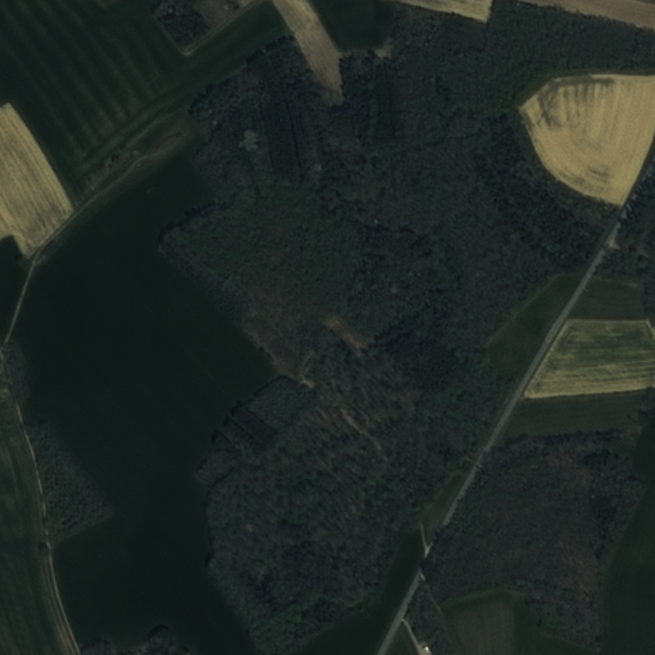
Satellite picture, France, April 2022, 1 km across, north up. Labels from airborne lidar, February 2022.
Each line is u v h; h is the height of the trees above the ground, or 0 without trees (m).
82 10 0
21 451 0
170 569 0
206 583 0
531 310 0
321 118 23
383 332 15
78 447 0
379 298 16
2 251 0
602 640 11
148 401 0
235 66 0
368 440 26
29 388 13
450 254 24
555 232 21
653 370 0
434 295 20
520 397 0
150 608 0
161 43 0
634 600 0
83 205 0
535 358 0
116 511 0
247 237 13
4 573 0
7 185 0
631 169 0
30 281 0
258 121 28
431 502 25
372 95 24
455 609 0
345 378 24
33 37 0
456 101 20
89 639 0
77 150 0
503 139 25
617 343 0
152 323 0
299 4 0
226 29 0
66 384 0
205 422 0
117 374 0
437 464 31
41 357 0
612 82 0
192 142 0
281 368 0
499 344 0
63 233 0
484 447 25
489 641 0
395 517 28
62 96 0
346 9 0
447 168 28
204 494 0
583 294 0
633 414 0
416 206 26
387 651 0
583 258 17
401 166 28
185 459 0
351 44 0
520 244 25
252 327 0
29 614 0
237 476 18
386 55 0
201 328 0
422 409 29
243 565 31
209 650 0
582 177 0
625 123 0
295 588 29
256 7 0
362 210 17
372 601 19
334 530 31
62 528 10
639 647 0
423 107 13
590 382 0
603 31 19
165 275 0
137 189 0
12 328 0
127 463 0
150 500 0
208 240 14
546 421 0
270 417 14
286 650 22
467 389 26
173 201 0
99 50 0
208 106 20
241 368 0
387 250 25
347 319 20
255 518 31
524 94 16
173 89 0
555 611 25
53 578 0
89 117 0
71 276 0
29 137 0
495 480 17
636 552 0
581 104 0
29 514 0
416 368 30
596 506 20
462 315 25
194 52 0
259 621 24
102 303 0
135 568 0
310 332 15
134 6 0
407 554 0
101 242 0
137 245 0
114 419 0
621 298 0
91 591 0
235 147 24
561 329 0
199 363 0
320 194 20
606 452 10
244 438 22
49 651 0
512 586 13
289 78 12
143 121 0
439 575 22
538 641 0
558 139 0
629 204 0
